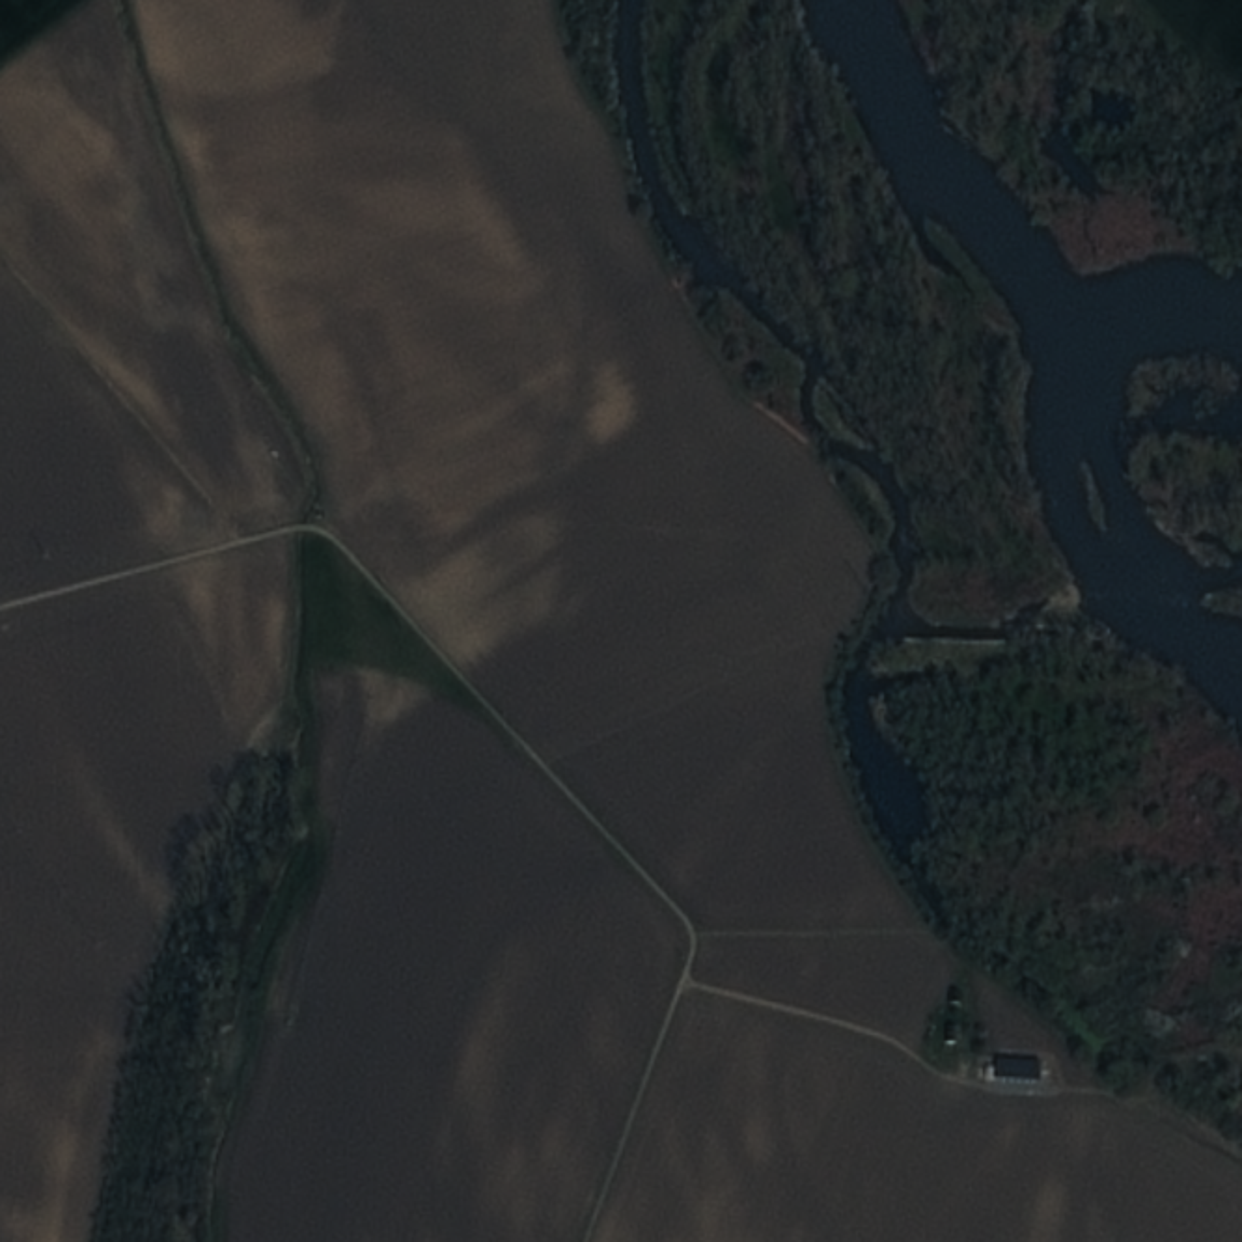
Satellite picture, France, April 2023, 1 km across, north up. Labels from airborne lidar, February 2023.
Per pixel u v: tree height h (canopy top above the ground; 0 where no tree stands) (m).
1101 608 0
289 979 0
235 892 35
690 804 0
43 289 0
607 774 0
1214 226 18
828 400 0
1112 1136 0
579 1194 0
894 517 0
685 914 0
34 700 0
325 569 0
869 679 0
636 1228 0
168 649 0
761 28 24
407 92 0
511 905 0
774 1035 0
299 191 0
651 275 0
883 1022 0
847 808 0
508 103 0
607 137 0
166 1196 21
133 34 0
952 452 14
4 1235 0
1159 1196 0
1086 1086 0
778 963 0
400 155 0
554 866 0
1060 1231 0
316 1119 0
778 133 21
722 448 0
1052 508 0
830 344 14
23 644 0
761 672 0
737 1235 0
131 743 0
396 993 0
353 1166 0
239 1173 0
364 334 0
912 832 0
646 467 0
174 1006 10
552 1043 0
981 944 16
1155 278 0
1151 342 0
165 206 0
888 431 28
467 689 0
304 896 0
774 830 0
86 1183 0
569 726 0
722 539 0
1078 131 8
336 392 0
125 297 0
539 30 0
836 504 0
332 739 0
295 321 0
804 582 0
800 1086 0
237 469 0
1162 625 0
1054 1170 0
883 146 0
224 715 0
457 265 0
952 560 10
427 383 0
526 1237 0
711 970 0
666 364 0
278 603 0
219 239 0
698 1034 0
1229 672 0
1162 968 11
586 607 0
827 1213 0
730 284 0
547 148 0
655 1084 0
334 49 0
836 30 0
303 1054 0
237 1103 0
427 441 0
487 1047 0
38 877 0
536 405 0
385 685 0
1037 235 0
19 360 0
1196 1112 9
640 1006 0
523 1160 0
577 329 0
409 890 0
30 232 0
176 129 0
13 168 0
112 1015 0
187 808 0
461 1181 0
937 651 0
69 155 0
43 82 0
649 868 0
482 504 0
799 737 0
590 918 0
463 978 0
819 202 14
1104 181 13
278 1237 0
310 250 0
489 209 0
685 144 21
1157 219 9
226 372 0
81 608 0
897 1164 0
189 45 0
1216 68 0
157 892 0
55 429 0
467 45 0
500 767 0
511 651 0
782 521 0
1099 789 13
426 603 0
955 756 14
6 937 0
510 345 0
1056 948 12
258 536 0
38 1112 0
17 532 0
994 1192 0
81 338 0
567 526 0
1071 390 0
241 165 0
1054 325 0
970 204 0
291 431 0
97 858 0
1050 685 17
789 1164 0
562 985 0
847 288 27
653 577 0
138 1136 13
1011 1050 0
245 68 0
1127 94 28
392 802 0
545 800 0
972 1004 0
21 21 0
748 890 0
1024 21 27
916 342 25
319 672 0
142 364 0
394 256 0
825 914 0
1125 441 8
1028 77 25
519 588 0
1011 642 20
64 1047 0
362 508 0
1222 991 0
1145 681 23
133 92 0
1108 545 0
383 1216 0
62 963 0
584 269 0
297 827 30
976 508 28
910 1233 0
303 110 0
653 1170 0
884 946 0
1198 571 0
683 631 0
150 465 0
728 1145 0
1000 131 26
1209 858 8
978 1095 0
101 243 0
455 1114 0
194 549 0
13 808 0
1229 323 0
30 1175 0
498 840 0
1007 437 24
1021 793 19
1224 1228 0
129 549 0
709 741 0
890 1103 0
